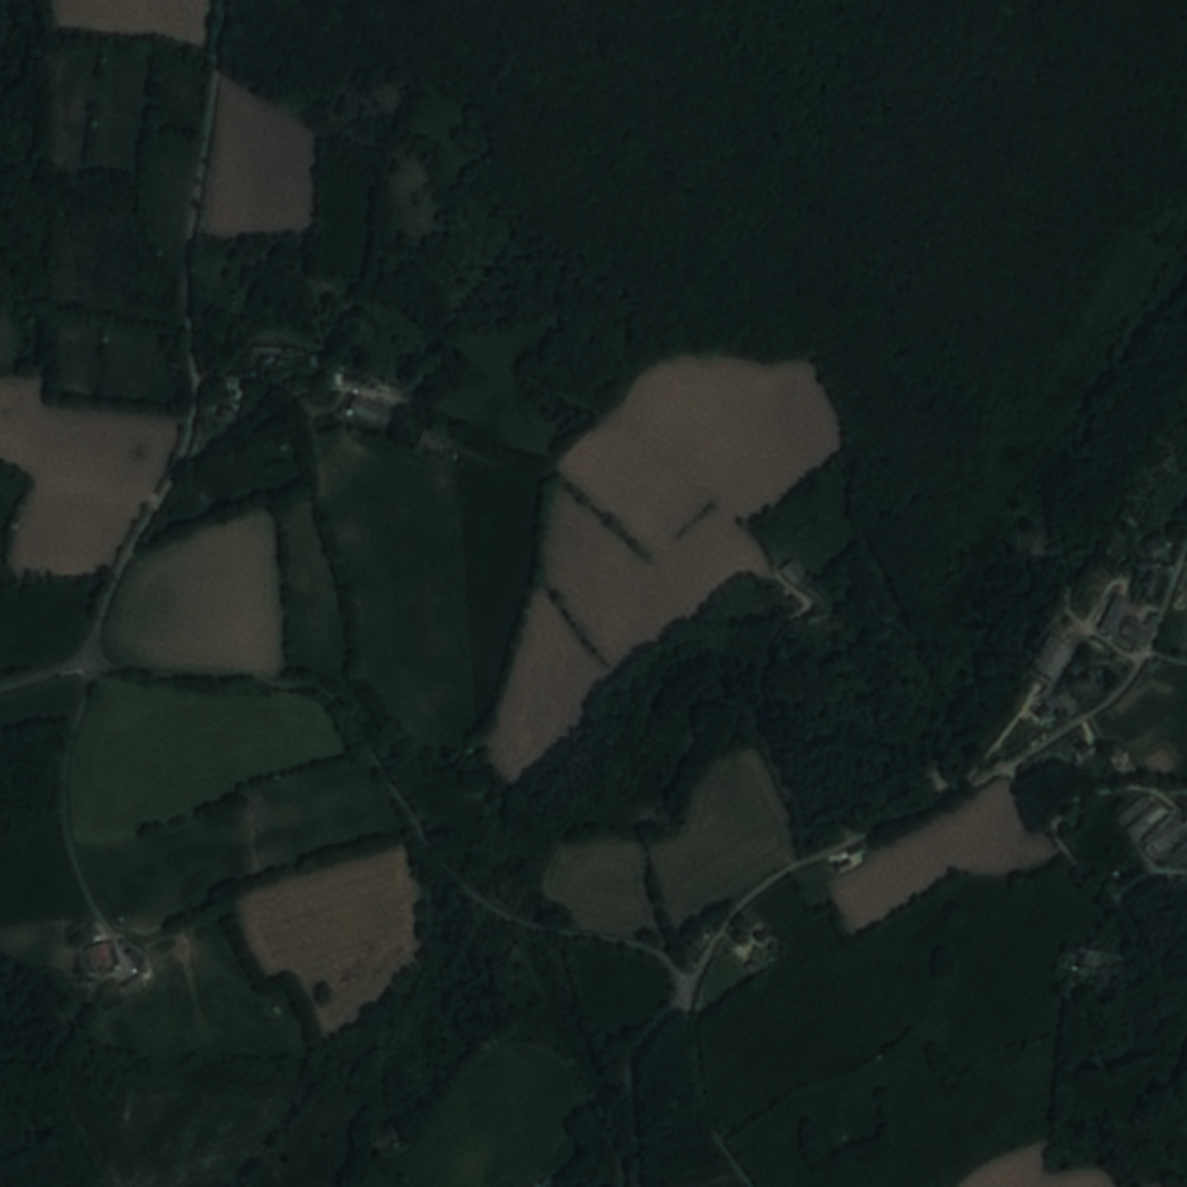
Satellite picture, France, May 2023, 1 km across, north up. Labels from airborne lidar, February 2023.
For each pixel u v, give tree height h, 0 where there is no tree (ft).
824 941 0
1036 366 67
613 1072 97
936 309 60
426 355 39
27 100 45
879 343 58
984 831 0
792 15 59
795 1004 0
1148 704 0
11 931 0
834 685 70
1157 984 53
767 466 0
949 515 66
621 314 66
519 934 34
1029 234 52
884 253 46
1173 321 60
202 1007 0
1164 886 52
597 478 0
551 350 53
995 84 44
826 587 33
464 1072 26
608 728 65
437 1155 0
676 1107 55
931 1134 0
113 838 0
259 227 0
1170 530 26
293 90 57
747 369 0
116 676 29
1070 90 48
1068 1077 52
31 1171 64
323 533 36
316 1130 0
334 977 0
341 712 55
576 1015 30
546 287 37
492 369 0
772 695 81
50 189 41
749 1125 19
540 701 0
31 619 0
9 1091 51
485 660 0
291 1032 0
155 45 42
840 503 0
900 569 56
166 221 0
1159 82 60
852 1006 0
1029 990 0
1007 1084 0
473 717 0
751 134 64
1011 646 58
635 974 0
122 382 0
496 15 52
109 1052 24
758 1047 0
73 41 55
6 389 0
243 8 47
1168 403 51
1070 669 30
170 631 0
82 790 0
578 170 52
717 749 45
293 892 0
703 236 62
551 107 52
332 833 0
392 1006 51
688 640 72
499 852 33
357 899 0
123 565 0
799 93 67
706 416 0
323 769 22
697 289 67
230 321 20
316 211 25
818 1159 35
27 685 0
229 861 0
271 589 0
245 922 0
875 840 42
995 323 47
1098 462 56
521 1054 0
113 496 0
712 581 0
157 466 0
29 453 0
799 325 60
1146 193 76
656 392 0
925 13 43
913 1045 0
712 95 55
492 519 0
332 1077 27
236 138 0
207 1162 0
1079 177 60
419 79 35
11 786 56
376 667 0
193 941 0
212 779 0
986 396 77
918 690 44
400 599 0
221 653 0
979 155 47
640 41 57
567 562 0
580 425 36
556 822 55
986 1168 0
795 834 59
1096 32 55
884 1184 0
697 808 0
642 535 0
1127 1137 0
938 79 47
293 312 47
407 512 0
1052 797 40
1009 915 0
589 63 60
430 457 38
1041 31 45
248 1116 0
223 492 0
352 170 38
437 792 0
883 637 72
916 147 44
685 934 37
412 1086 33
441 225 24
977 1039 0
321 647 0
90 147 26
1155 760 0
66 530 0
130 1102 0
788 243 62
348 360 45
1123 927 43
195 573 0
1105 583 0
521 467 36
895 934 0
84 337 0
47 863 0
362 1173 54
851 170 50
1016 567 88
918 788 66
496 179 45
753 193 59
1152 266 0
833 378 61
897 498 59
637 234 56
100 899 0
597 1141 72
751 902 0
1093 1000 47
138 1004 0
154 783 0
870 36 55
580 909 0
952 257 40
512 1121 0
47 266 22
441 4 53
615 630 0
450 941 59
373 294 50
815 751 61
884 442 64
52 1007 43
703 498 0
